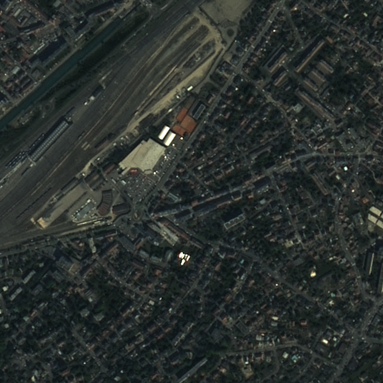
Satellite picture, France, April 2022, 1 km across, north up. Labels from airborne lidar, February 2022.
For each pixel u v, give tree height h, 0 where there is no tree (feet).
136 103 0
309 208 0
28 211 0
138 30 0
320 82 0
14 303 38
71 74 0
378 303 0
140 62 0
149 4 0
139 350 33
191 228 35
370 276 45
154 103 0
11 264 36
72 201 0
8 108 0
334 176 0
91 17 0
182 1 0
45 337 0
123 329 0
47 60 0
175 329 27
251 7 0
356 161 0
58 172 0
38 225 0
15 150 0
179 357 0
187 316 51
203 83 0
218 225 49
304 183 25
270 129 17
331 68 0
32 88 0
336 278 48
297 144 0
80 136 0
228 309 56
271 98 0
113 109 0
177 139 0
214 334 0
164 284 0
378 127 0
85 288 0
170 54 0
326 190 0
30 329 0
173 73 0
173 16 0
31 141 0
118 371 20
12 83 0
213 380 18
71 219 0
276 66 0
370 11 24
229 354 0
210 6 0
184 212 0
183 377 0
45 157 0
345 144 0
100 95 0
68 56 0
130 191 0
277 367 0
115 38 0
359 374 0
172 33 0
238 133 0
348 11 22
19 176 0
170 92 0
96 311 40
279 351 34
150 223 0
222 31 0
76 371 24
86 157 0
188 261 0
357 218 0
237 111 44
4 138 35
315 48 0
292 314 62
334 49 28
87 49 0
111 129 0
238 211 0
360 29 23
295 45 32
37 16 0
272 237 0
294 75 0
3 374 65
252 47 0
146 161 0
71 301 88
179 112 0
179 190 45
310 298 0
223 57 0
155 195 0
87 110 0
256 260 0
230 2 0
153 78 0
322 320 47
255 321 0
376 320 0
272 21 0
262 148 0
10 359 39
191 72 0
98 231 36
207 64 0
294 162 0
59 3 0
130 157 0
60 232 0
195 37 0
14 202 0
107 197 0
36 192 0
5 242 0
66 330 19
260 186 0
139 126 0
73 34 0
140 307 0
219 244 0
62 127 0
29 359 0
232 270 26
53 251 0
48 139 0
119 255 22
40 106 0
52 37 0
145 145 0
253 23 27
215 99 0
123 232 0
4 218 0
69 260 0
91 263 0
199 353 61
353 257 0
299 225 0
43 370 20
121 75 0
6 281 25
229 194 0
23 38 0
